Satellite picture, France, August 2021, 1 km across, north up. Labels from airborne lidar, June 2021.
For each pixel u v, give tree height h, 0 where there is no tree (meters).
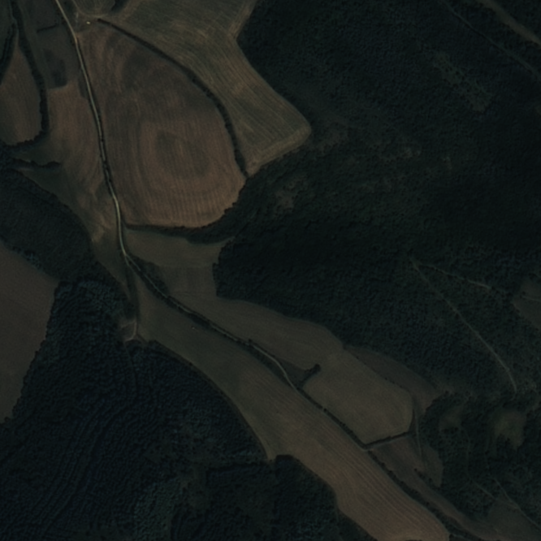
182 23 0
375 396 0
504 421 0
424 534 0
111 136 0
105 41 0
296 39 10
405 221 9
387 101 10
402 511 0
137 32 0
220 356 0
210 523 26
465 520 0
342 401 0
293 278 12
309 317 7
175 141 0
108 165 7
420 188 7
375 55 11
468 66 15
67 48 0
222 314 0
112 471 28
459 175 7
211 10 0
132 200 0
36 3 0
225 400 10
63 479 22
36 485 16
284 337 0
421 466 0
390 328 7
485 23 19
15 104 0
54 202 10
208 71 0
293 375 0
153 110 0
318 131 6
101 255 0
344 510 0
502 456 10
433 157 8
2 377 0
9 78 0
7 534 30
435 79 9
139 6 0
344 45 9
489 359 7
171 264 0
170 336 0
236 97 0
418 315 7
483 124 13
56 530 22
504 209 18
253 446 13
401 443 0
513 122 16
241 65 0
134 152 0
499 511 0
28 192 5
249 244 20
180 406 15
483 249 7
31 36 0
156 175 0
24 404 19
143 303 0
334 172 7
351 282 9
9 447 33
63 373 31
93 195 0
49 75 0
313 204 10
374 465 0
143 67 0
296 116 0
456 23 16
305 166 7
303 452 0
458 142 8
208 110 0
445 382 0
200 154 0
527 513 6
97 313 15
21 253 12
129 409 24
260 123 0
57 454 24
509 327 10
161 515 16
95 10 0
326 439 0
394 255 9
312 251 25
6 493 33
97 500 30
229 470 23
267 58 10
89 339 19
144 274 10
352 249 13
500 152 17
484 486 6
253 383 0
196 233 10
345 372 0
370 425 0
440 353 10
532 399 6
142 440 23
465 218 16
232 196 0
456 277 8
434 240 13
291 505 33
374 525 0
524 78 13
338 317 7
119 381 25
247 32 7
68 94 0
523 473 10
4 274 0
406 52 11
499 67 18
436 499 0
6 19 0
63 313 27
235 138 6
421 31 12
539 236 15
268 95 0
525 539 0
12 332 0
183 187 0
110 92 0
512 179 22
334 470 0
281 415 0
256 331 0
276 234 26
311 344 0
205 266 0
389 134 6
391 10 7
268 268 19
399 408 0
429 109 7
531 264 11
